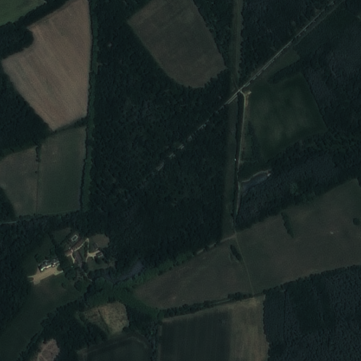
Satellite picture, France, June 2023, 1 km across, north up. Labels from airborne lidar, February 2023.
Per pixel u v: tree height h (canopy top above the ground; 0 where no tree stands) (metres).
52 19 0
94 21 17
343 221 0
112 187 6
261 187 20
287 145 0
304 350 23
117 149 14
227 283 0
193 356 0
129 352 0
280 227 0
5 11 0
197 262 0
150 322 23
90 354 0
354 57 16
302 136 0
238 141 11
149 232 17
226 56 17
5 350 0
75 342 24
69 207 0
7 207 22
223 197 12
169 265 28
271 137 0
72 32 0
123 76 18
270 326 12
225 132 14
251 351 0
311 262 0
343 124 15
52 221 17
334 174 23
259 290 0
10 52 22
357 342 22
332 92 20
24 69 0
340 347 21
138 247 19
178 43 0
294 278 0
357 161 17
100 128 19
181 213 15
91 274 17
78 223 21
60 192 0
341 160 21
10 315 25
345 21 7
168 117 6
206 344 0
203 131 15
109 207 27
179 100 19
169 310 15
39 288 0
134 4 23
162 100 20
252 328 0
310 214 0
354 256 0
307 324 24
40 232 22
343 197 0
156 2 0
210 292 0
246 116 0
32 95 0
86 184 28
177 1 0
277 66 0
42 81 0
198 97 18
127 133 11
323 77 20
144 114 22
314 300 26
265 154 0
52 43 0
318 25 7
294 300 23
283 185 17
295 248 0
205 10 23
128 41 21
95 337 21
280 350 19
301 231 0
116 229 23
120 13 23
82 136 0
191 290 0
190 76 0
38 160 10
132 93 18
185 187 13
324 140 17
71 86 0
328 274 15
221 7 23
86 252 7
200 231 19
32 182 0
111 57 17
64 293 0
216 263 0
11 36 26
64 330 29
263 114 0
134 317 23
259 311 0
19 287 22
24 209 0
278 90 0
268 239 0
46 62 0
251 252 0
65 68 0
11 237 23
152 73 22
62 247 13
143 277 25
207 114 22
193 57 0
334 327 23
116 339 0
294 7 16
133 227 16
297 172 20
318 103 13
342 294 24
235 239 0
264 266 0
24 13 0
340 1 15
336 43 13
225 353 0
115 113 21
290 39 8
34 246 21
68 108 0
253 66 21
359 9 17
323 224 0
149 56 19
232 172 0
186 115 13
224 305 0
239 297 12
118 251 18
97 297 34
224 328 0
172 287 0
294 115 0
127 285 28
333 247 0
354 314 21
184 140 17
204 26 0
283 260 0
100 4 21
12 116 23
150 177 12
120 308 0
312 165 21
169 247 22
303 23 16
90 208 25
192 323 0
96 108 24
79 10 0
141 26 0
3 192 8
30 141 23
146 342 0
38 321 0
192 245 17
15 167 0
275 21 17
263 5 19
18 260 15
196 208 10
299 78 0
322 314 26
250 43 20
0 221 20
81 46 0
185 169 10
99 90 21
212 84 15
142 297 0
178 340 0
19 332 0
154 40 0
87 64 0
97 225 28
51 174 0
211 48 0
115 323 0
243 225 15
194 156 14
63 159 0
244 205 19
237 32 0
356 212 0
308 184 10
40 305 0
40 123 23
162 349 0
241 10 0
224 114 14
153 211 21
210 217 23
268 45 17
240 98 14
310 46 9
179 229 14
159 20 0
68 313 16
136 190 19
